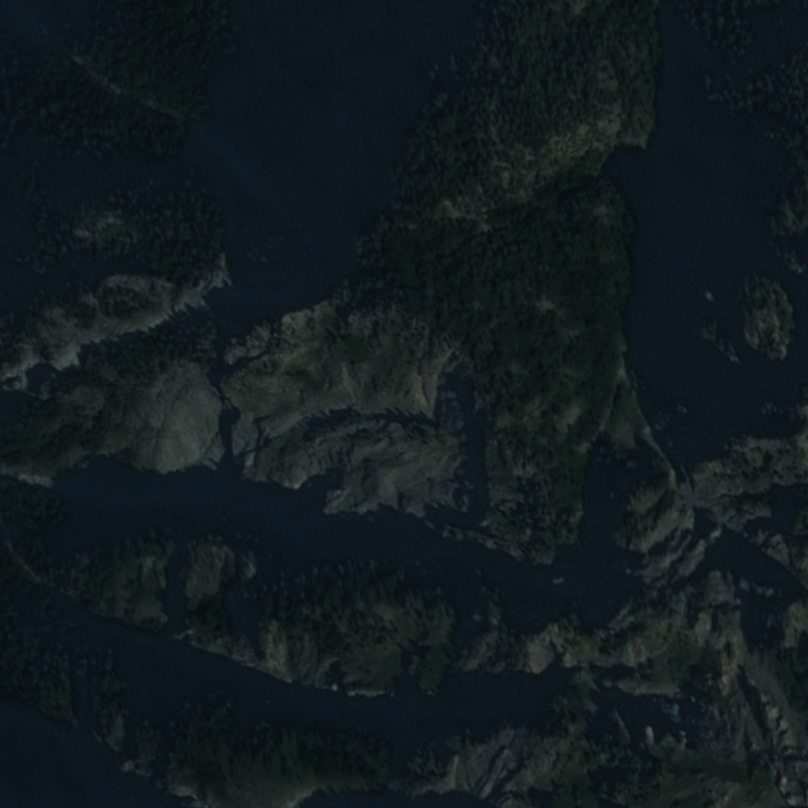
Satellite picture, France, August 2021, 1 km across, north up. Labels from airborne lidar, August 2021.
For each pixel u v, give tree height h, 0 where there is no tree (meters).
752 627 0
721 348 9
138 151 16
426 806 0
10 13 0
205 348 8
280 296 0
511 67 17
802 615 6
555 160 13
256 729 10
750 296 11
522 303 18
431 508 0
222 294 0
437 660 0
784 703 0
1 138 21
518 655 12
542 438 8
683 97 21
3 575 15
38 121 28
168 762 6
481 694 0
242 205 12
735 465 11
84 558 19
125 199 19
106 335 0
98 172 26
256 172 0
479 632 7
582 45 8
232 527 8
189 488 0
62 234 11
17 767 15
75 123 27
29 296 16
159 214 11
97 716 9
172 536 12
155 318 0
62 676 11
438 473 0
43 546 26
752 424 29
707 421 15
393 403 0
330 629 11
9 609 23
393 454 0
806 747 0
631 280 6
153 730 9
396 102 10
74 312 7
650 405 6
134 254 8
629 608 7
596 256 7
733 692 0
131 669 9
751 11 11
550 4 19
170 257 25
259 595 11
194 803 0
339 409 0
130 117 15
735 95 21
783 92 13
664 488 6
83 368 11
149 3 21
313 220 0
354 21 16
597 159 23
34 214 18
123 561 15
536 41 10
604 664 0
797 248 8
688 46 0
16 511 9
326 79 18
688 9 22
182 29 20
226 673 10
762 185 12
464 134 12
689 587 8
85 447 14
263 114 10
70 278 16
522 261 12
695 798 0
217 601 13
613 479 10
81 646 19
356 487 0
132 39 15
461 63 15
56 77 18
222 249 9
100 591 15
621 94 9
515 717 11
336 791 0
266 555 20
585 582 0
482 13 25
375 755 6
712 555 0
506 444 7
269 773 10
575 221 19
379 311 14
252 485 0
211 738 9
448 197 10
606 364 9
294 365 0
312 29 25
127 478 0
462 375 7
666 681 0
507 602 10
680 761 0
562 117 16
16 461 12
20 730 13
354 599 16
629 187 13
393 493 0
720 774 0
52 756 25
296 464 0
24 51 20
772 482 0
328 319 0
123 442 0
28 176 7
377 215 9
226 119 13
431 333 6
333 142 0
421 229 9
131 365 13
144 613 12
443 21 6
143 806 0
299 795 0
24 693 16
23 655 25
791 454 9
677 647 0
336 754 12
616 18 17
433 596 11
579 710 0
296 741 8
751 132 13
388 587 12
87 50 6
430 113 14
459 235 12
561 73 24
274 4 20
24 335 12
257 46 14
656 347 0
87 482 0
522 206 22
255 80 15
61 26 6
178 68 17
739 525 0
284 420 0
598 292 8
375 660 0
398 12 0
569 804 0
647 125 7
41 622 21
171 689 8
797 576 0
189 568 8
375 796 0
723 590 0
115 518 24
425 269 16
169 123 16
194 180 9
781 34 15
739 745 0
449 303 13
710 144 0
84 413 12
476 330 18
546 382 12
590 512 0
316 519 0
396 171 14
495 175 12
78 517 25
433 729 9
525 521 14
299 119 14
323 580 13
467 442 0
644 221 11
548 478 14
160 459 0
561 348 12
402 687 0
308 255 0
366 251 12
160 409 0
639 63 24
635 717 0
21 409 18
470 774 0
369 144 0
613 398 9
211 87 13
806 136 15
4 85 12
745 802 0
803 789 0
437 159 10
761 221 8
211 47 15
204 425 0
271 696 8
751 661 0
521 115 14
